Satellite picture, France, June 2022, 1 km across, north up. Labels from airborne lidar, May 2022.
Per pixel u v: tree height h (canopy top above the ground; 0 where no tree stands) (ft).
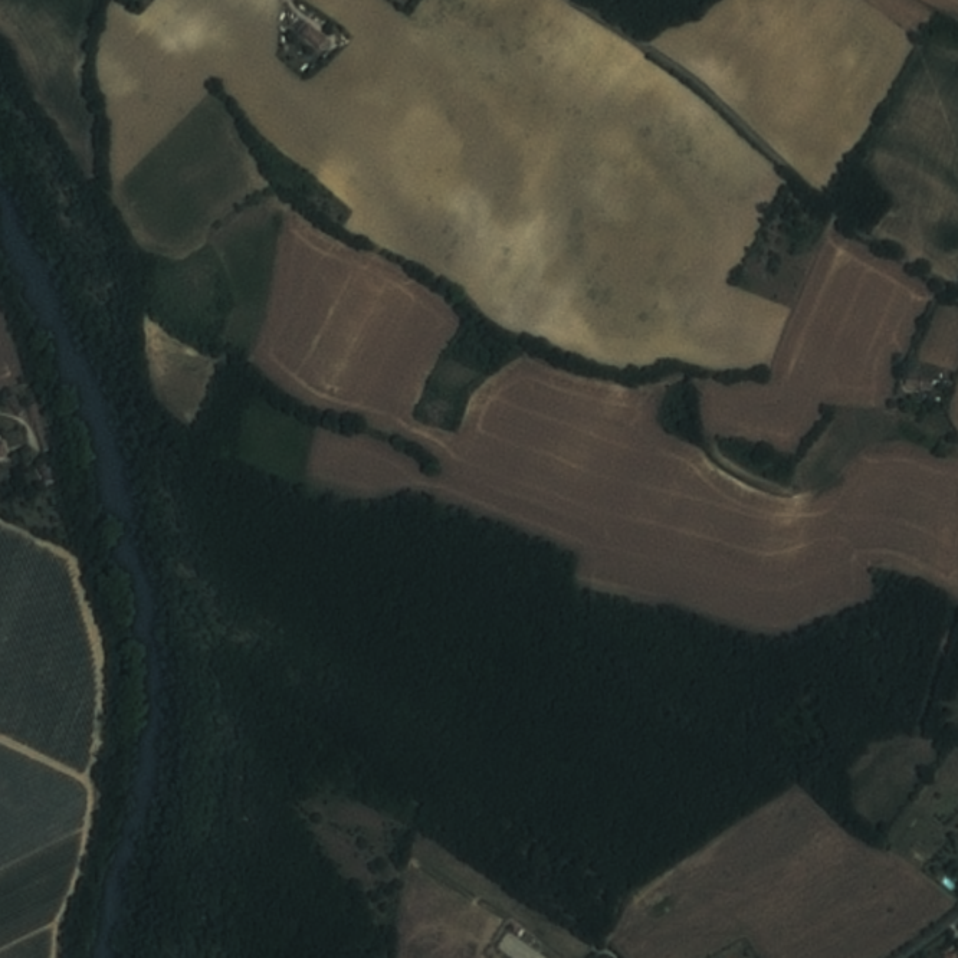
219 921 29
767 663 85
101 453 0
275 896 71
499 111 0
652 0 54
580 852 64
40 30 0
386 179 0
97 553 63
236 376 50
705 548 0
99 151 37
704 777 51
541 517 0
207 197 0
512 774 53
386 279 0
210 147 0
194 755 37
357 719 51
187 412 0
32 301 0
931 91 0
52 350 52
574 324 0
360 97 0
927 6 0
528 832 36
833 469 0
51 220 31
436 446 0
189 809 50
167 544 36
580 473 0
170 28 0
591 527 0
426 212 0
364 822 0
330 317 0
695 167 0
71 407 103
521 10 0
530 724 63
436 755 34
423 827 40
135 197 0
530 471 0
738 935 0
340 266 0
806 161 0
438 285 41
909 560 0
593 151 0
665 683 69
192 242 0
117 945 49
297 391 0
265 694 55
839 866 0
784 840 0
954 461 0
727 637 66
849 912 0
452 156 0
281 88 0
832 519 0
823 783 56
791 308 0
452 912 0
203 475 56
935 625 46
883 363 0
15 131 26
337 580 58
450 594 57
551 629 75
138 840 53
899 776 0
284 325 0
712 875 0
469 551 65
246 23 0
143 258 28
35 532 31
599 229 0
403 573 58
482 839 55
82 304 33
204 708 31
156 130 0
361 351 0
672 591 0
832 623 72
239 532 52
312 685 33
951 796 0
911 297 0
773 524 0
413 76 0
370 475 0
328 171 0
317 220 49
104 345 54
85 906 66
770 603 0
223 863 65
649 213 0
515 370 0
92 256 23
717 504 0
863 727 49
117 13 0
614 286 0
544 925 0
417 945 0
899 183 0
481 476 0
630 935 0
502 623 65
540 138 0
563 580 67
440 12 0
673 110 0
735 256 0
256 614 33
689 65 0
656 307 0
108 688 57
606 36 0
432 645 76
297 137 0
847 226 51
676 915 0
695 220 0
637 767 58
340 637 59
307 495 54
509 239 0
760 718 70
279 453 0
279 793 41
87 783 0
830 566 0
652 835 45
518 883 51
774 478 23
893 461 0
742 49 0
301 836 47
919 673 59
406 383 0
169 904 44
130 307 46
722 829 35
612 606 57
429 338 0
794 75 0
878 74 0
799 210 31
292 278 0
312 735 62
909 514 0
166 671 39
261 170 35
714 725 66
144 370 37
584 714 71
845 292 0
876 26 0
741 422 0
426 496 37
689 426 50
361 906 49
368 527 61
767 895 0
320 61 29
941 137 0
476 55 0
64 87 0
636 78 0
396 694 52
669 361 34
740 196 0
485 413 0
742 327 0
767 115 0
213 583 28
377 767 58
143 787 0
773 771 47
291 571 62
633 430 0
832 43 0
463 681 78
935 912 0
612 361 0
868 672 56
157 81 0
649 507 0
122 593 126
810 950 0
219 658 37
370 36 0
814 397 0
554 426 0
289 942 40
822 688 77
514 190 0
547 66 0
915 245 0
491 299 0
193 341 36
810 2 0
